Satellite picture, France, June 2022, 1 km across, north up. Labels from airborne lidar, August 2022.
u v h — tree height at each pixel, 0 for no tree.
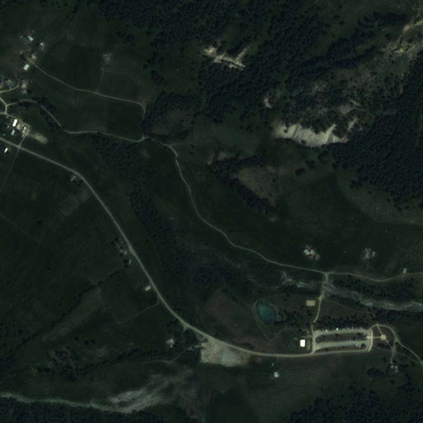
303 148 14
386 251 0
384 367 0
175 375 0
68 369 19
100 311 0
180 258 9
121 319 0
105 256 0
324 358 0
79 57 0
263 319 0
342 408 8
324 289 0
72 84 0
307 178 0
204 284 9
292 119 12
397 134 22
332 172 0
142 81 0
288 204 0
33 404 11
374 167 29
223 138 0
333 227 0
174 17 32
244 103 21
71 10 0
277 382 0
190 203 0
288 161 0
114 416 6
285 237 0
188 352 13
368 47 0
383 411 10
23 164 0
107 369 0
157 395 0
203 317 0
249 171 0
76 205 0
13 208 0
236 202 0
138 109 0
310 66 20
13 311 0
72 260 0
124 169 11
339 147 25
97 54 0
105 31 0
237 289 13
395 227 0
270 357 0
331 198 0
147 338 0
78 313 0
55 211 0
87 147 0
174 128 8
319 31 17
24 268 0
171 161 0
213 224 0
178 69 0
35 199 0
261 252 0
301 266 0
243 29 19
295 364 0
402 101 24
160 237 8
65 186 0
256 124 0
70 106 0
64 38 0
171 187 0
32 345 0
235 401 0
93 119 0
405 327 0
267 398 0
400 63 0
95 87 0
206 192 0
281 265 0
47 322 0
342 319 13
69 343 0
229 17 26
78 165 0
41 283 0
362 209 0
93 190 0
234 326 0
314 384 0
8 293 0
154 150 0
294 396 0
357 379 0
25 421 12
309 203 0
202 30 14
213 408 0
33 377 0
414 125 18
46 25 0
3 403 6
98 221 0
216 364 0
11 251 0
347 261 0
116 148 18
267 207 9
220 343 0
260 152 0
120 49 0
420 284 0
